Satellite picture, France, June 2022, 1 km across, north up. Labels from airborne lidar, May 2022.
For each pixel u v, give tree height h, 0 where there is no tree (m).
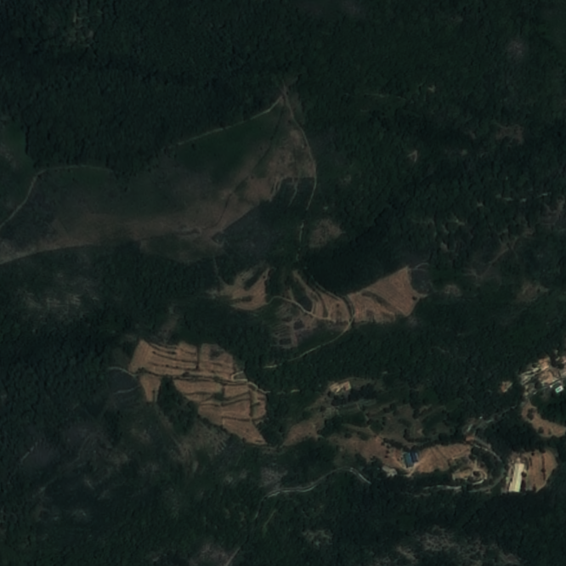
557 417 16
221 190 0
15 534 8
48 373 12
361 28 8
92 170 0
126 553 15
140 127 13
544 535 18
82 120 17
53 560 10
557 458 7
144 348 0
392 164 7
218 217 0
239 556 7
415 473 0
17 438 11
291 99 0
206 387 0
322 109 11
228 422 0
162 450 0
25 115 12
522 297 0
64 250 0
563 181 8
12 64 20
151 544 11
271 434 11
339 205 13
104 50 18
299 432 0
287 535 8
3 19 11
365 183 8
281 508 13
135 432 0
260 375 12
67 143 12
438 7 7
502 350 19
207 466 0
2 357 24
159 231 0
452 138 15
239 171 0
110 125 17
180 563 13
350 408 0
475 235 9
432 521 10
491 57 19
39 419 12
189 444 0
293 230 0
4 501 8
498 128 6
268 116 0
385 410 9
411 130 11
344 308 0
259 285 0
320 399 0
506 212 16
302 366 12
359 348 15
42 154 13
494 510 19
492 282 0
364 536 13
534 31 13
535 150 11
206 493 10
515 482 0
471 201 9
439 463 0
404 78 9
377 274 0
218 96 15
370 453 0
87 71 13
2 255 0
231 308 0
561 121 15
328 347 9
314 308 0
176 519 10
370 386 13
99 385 7
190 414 12
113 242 0
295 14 6
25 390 14
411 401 9
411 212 14
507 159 9
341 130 11
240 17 10
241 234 0
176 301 0
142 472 0
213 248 0
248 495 11
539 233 6
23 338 15
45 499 0
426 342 10
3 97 14
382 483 10
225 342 6
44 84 14
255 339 7
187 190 0
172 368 0
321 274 11
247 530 9
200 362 0
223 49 19
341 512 10
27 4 10
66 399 9
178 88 25
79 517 0
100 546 11
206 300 0
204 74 15
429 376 21
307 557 15
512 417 14
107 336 6
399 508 18
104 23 14
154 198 0
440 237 10
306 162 0
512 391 13
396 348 14
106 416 8
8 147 0
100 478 0
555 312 0
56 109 15
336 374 13
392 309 0
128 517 11
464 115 9
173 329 0
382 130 12
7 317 12
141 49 12
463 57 17
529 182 12
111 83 17
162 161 0
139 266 10
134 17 18
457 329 6
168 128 13
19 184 0
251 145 0
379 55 14
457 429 10
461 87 18
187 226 0
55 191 0
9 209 0
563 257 10
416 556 8
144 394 0
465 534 7
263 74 16
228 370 0
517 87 6
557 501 10
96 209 0
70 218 0
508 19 12
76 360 8
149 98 17
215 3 18
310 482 7
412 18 11
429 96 12
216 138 0
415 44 20
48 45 16
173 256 0
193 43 18
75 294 0
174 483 0
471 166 30
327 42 11
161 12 14
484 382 14
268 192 0
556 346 8
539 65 11
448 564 10
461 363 17
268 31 10
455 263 10
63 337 19
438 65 17
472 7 17
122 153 16
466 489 10
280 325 0
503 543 7
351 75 16
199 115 15
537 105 12
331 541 7
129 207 0
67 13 7
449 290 0
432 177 17
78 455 0
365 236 19
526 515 21
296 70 9
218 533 14
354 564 7
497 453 8
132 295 6
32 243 0
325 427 10
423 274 0
